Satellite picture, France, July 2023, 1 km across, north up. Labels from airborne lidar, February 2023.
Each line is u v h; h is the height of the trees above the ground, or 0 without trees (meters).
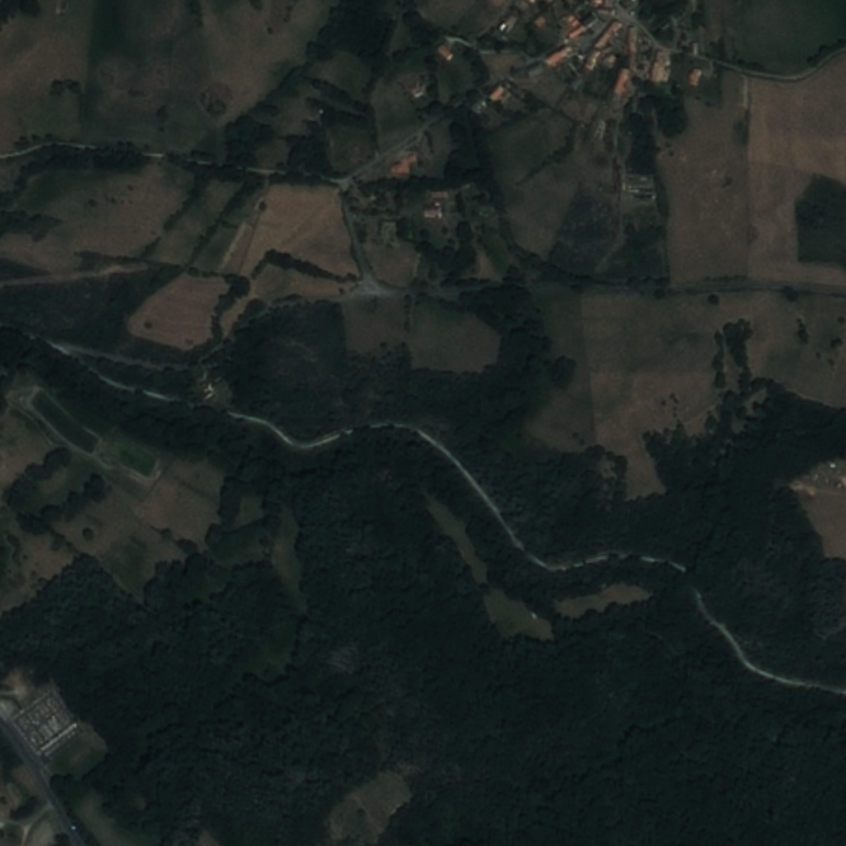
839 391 0
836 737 22
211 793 18
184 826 16
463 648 26
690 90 0
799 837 17
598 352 0
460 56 0
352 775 10
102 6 0
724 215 0
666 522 13
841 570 12
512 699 26
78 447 0
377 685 14
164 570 20
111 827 0
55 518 16
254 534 8
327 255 0
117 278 6
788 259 0
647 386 0
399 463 27
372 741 14
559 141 0
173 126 0
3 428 0
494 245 0
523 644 23
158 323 0
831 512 0
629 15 0
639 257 0
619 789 19
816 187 0
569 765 10
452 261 19
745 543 18
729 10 0
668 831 19
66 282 0
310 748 18
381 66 14
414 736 9
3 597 0
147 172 0
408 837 16
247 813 11
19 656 11
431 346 0
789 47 0
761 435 11
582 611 0
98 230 0
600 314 0
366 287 0
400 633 19
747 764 24
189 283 0
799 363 0
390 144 0
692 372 0
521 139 0
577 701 12
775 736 20
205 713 25
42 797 0
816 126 0
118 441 0
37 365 28
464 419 13
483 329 0
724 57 6
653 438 9
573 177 0
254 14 0
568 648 23
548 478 9
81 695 24
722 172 0
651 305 0
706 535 9
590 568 15
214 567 28
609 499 9
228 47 0
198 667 16
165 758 27
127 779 22
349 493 18
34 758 0
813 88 0
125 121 0
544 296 0
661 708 20
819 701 18
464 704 21
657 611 17
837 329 0
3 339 21
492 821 17
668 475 14
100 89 0
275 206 0
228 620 9
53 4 0
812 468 10
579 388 0
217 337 10
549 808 10
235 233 0
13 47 0
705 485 6
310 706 17
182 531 0
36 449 0
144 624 22
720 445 16
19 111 0
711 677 31
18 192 8
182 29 0
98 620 10
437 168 0
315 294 0
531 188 0
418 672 18
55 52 0
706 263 0
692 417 0
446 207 0
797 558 11
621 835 16
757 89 0
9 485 0
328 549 17
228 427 16
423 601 18
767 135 0
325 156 13
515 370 14
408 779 6
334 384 0
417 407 10
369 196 12
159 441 9
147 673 16
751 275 0
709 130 0
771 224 0
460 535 0
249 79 0
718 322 0
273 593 14
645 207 0
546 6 12
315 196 0
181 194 0
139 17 0
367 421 6
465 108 10
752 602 16
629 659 16
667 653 20
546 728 17
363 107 11
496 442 13
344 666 23
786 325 0
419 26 10
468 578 16
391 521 20
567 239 0
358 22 13
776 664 16
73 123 0
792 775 24
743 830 22
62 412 0
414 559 18
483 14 0
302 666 20
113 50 0
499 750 15
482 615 22
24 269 0
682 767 19
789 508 11
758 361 0
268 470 24
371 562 20
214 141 0
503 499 17
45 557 0
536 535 17
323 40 8
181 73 0
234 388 12
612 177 0
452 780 10
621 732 9
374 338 0
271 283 0
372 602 18
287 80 9
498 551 18
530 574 25
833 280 0
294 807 7
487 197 11
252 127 16
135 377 16
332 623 17
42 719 0
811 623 14
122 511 0
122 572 0
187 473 0
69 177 0
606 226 0
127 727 10
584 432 0
